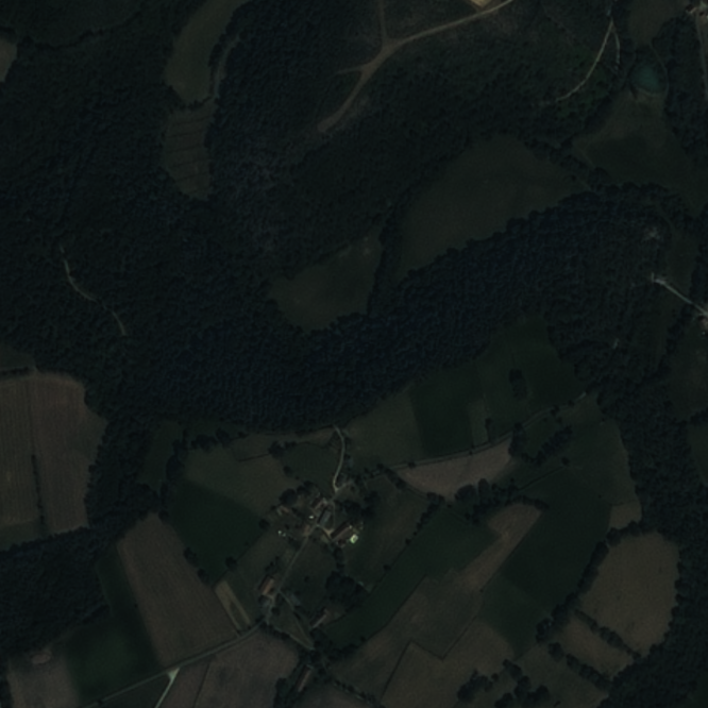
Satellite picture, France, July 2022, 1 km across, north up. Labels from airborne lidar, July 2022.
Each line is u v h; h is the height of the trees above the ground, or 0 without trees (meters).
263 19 18
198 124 0
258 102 13
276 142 13
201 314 18
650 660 9
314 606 0
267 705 0
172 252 17
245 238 11
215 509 0
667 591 0
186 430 8
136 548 0
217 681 0
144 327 17
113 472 10
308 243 17
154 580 0
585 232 30
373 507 15
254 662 0
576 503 0
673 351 18
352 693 14
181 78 0
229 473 0
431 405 0
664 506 17
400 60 0
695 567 12
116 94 10
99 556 16
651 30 0
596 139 0
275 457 15
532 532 0
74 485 0
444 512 0
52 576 23
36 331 8
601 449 0
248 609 0
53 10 6
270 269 18
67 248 11
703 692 0
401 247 16
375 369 34
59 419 0
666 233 15
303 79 15
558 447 21
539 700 19
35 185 11
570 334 12
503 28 0
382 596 0
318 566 0
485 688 14
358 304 0
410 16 0
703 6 0
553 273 11
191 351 7
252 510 0
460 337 33
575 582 0
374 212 8
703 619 17
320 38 18
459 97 16
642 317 18
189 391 32
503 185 0
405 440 0
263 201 7
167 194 20
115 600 0
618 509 0
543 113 8
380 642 0
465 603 0
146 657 0
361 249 0
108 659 0
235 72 22
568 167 12
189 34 0
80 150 19
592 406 0
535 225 18
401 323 23
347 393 22
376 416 0
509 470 0
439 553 0
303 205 15
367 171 17
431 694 0
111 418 13
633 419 15
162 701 0
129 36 6
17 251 11
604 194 18
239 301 26
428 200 0
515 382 19
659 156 0
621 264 9
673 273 0
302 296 0
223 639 0
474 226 0
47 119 10
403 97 14
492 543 0
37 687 0
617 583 0
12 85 19
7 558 20
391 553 0
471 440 0
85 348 12
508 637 0
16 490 0
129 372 22
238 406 36
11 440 0
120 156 22
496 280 30
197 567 8
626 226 11
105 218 19
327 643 9
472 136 23
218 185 21
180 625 0
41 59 21
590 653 0
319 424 13
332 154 16
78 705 0
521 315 20
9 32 18
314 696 0
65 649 0
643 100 0
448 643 0
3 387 0
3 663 16
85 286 14
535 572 0
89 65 10
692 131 7
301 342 21
